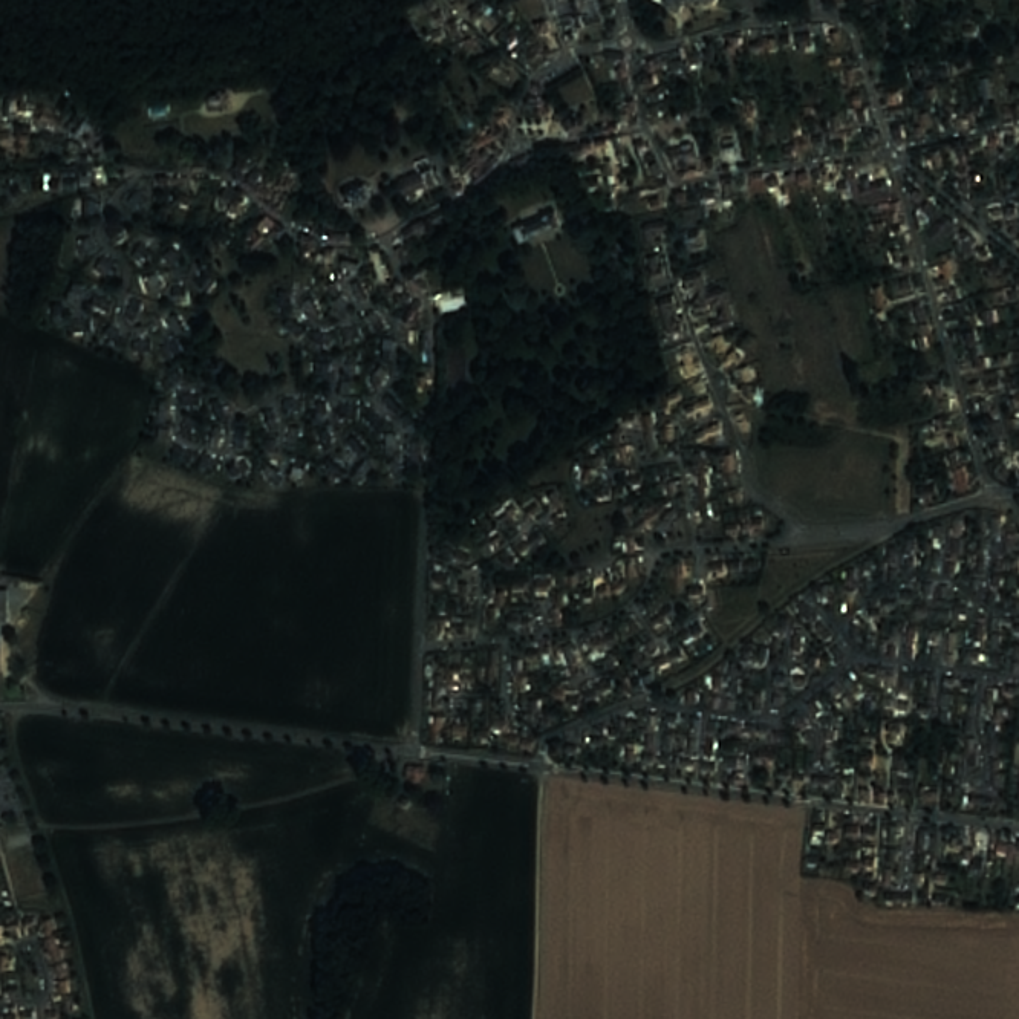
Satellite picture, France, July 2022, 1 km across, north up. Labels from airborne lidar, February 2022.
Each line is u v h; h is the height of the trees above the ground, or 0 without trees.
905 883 0
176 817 0
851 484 0
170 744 0
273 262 18
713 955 0
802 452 0
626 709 0
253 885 0
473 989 0
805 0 20
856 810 0
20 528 0
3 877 12
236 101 0
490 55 10
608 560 0
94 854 0
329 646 0
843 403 0
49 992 0
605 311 27
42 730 0
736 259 0
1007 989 0
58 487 0
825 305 0
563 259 0
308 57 29
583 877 0
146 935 0
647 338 25
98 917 0
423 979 0
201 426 14
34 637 0
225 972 0
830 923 0
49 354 0
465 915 0
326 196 19
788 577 0
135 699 0
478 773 0
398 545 0
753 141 8
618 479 10
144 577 0
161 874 0
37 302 14
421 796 10
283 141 12
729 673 0
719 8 0
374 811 0
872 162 0
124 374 0
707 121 7
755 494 0
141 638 0
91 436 0
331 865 0
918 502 8
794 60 0
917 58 7
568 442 25
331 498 0
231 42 24
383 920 28
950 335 6
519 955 0
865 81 0
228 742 0
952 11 14
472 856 0
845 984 0
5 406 0
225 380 15
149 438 6
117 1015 0
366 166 0
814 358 0
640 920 0
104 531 0
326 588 0
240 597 0
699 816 0
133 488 0
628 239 9
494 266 0
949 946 0
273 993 0
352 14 25
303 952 0
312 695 0
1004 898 7
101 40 22
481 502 25
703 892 0
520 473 28
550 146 13
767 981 0
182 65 20
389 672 0
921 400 0
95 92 20
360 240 15
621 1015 0
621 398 22
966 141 7
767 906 0
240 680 0
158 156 0
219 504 0
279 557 0
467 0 0
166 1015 0
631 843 0
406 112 0
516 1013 0
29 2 23
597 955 0
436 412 21
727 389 0
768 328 0
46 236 24
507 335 24
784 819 0
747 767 0
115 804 0
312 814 0
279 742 0
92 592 0
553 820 0
